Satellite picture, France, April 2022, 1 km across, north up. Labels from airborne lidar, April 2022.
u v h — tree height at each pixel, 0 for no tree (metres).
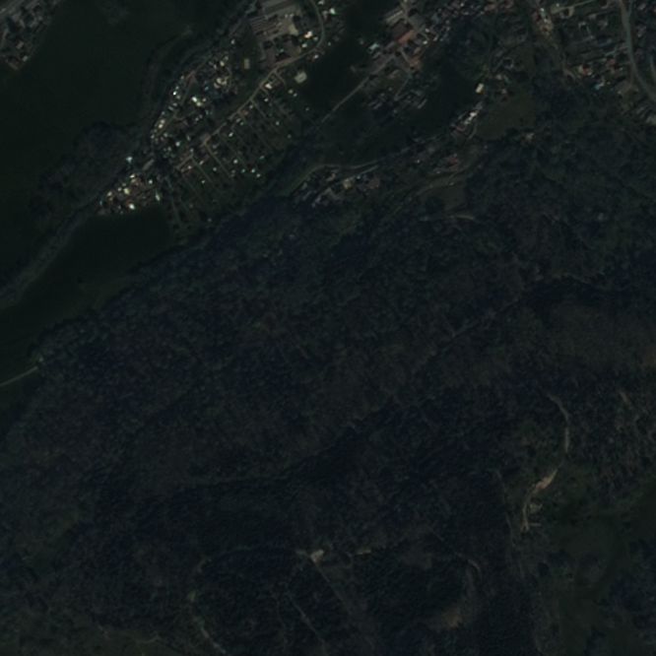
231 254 29
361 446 16
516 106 0
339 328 20
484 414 15
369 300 18
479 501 21
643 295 29
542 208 32
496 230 22
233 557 11
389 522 19
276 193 15
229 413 18
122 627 19
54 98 0
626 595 24
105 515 15
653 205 10
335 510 32
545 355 22
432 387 28
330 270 26
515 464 17
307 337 37
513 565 18
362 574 7
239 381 32
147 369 16
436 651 20
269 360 16
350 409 19
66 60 0
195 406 16
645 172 25
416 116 0
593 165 18
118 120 0
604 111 22
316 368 12
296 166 22
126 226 0
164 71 0
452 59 10
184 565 13
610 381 22
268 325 7
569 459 15
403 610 10
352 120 0
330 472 19
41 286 0
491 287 24
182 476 15
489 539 24
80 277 0
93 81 0
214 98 0
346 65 0
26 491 23
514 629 23
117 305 9
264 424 22
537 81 7
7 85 0
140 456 15
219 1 0
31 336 0
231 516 17
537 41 11
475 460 14
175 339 14
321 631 17
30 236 0
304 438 22
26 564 24
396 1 0
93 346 12
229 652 22
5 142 0
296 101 0
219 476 16
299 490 17
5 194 0
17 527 26
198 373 12
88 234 0
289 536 21
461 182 0
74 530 0
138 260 0
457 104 0
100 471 23
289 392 33
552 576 28
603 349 17
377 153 0
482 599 14
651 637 18
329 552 27
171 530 14
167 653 0
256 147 14
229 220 14
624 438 29
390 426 19
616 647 0
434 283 33
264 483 15
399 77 0
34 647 15
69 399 7
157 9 0
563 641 9
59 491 25
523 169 19
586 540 0
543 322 19
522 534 6
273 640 12
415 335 16
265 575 15
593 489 16
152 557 10
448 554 21
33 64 0
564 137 12
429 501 34
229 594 16
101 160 23
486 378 14
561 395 26
